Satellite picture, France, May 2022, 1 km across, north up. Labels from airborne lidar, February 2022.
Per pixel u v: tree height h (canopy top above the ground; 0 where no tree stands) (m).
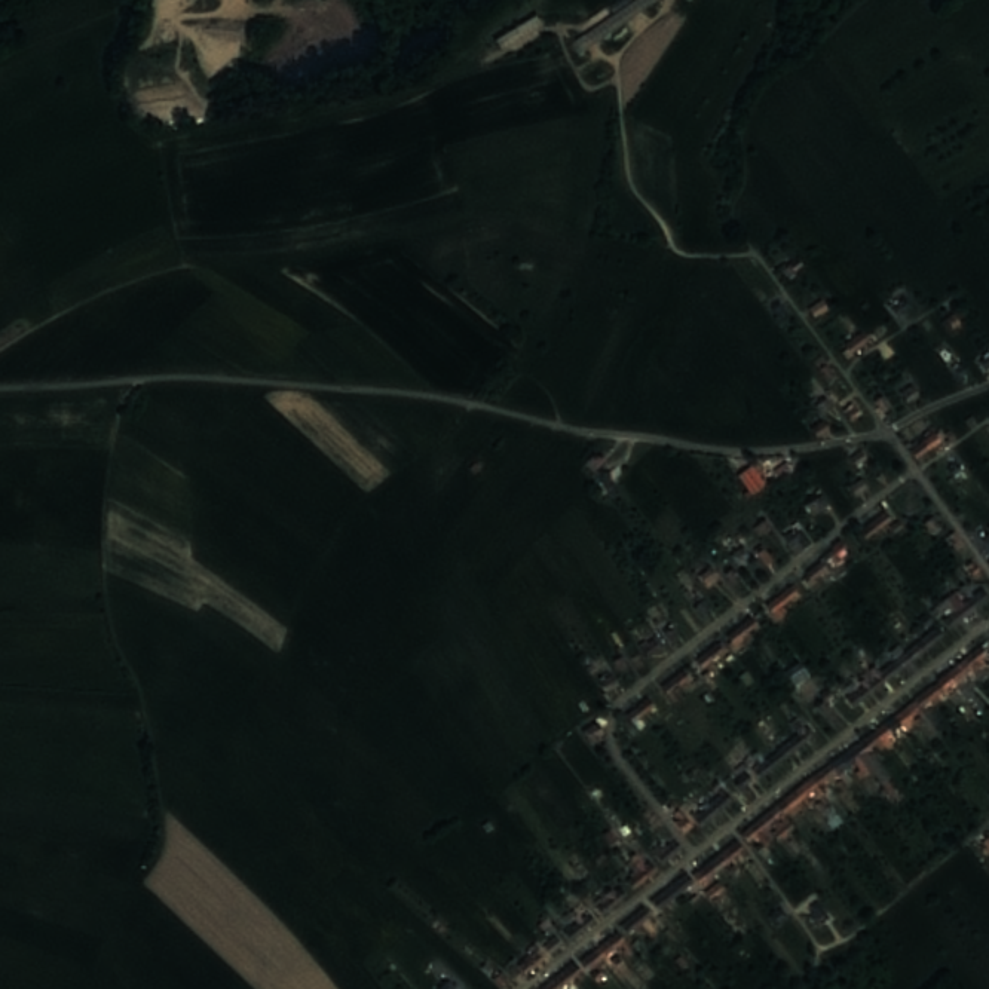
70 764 0
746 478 0
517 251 0
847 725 0
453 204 0
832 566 0
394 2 13
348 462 0
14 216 0
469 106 0
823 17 9
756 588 7
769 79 12
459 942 0
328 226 0
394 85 11
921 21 0
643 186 0
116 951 0
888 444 0
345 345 0
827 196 0
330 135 0
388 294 0
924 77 0
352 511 0
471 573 0
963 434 0
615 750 0
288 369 0
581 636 0
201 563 0
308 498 0
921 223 0
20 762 0
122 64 23
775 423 0
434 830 7
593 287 0
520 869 0
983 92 0
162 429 0
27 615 0
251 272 0
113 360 0
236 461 0
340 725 0
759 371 0
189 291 0
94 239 0
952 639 0
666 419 0
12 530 0
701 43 0
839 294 0
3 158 0
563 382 0
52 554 0
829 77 0
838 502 0
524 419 0
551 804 0
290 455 0
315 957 0
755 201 0
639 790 0
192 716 0
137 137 0
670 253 0
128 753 0
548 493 0
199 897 0
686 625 0
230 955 0
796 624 0
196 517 0
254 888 0
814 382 0
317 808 0
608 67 0
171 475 0
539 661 0
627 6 0
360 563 0
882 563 0
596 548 0
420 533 0
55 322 0
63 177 0
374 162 0
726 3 0
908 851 9
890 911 0
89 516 0
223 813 0
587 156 0
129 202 0
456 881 0
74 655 0
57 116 0
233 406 0
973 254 0
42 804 0
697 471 0
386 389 0
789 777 0
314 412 0
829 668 9
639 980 0
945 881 0
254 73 32
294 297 0
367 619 0
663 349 0
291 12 0
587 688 0
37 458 0
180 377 0
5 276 0
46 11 0
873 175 0
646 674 0
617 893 0
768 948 0
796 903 0
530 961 0
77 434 0
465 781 0
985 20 0
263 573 0
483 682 0
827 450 0
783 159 0
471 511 0
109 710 0
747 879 0
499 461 0
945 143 7
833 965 15
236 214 0
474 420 0
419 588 0
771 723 0
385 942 0
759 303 0
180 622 0
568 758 0
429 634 0
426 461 0
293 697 0
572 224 0
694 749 0
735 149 14
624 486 0
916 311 0
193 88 0
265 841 0
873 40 0
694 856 0
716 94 0
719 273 0
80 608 0
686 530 9
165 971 0
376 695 0
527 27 0
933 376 0
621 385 0
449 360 0
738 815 0
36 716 0
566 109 0
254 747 0
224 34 0
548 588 0
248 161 0
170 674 0
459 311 0
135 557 0
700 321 0
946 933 0
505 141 0
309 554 0
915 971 0
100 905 0
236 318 0
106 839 0
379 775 0
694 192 0
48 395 0
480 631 0
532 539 0
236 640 0
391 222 0
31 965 0
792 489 6
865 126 0
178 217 0
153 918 0
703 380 0
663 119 0
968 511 0
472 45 0
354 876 0
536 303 0
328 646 0
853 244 0
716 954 0
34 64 0
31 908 0
